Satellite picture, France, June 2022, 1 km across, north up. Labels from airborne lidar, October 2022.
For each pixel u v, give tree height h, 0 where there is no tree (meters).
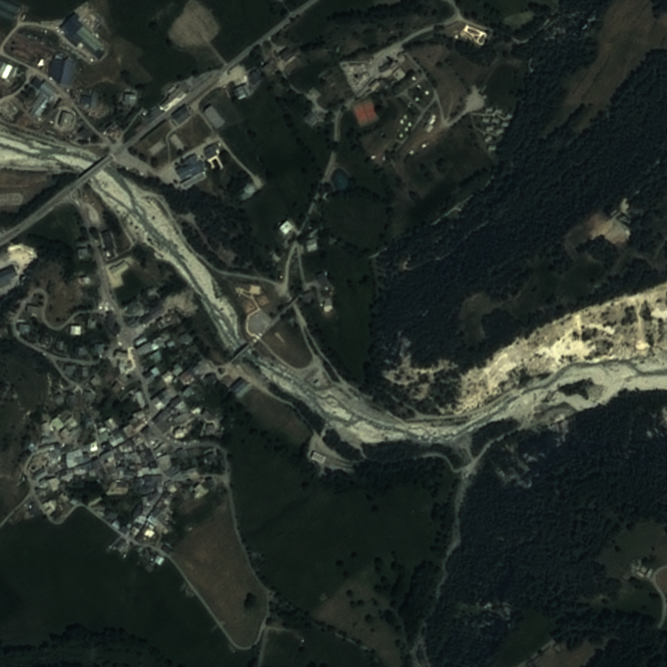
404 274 15
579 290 0
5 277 0
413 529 0
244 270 6
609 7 10
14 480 0
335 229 0
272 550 0
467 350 14
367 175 0
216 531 0
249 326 0
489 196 18
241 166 0
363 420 0
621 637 17
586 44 11
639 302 0
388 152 7
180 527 0
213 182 0
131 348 0
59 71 0
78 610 0
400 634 9
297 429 0
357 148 14
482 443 9
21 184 0
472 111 0
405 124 0
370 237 0
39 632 0
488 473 8
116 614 0
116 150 0
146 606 0
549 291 0
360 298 0
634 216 5
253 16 0
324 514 0
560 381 0
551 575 12
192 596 0
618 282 15
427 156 0
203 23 0
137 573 0
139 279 0
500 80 0
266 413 0
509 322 8
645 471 14
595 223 0
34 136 0
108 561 0
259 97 0
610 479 28
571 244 0
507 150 15
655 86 15
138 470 0
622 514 17
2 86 0
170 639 0
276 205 0
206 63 0
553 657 0
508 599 9
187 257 0
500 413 0
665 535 0
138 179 16
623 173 11
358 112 0
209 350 10
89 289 0
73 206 0
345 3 0
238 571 0
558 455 10
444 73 0
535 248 8
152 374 0
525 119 16
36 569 0
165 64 0
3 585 0
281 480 0
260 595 0
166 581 0
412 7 11
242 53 0
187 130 0
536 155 14
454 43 7
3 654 8
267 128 0
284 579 0
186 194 12
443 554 10
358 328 0
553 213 11
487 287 11
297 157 0
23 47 0
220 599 0
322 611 0
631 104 14
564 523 16
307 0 0
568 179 13
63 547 0
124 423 7
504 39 8
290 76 0
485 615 8
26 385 0
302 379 0
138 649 9
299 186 0
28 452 9
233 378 0
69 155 0
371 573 0
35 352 10
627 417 9
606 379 0
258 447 0
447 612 18
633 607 0
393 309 9
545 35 10
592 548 14
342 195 16
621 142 13
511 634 13
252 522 0
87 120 0
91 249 14
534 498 10
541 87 17
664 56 18
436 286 8
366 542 0
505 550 11
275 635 0
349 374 16
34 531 0
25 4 0
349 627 0
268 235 0
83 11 0
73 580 0
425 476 21
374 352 16
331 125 8
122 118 9
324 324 0
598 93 0
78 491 10
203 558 0
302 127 0
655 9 9
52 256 9
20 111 0
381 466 25
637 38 0
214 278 0
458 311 9
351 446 9
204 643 0
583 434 10
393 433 0
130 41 0
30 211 8
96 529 0
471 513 7
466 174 0
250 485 0
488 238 10
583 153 18
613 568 0
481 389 0
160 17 0
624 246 0
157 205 0
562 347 0
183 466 6
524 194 15
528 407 0
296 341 0
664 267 0
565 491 16
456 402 6
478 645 12
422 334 8
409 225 0
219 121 0
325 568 0
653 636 26
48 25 0
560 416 0
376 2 0
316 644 0
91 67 0
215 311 0
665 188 14
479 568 8
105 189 0
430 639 11
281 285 0
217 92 0
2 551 0
